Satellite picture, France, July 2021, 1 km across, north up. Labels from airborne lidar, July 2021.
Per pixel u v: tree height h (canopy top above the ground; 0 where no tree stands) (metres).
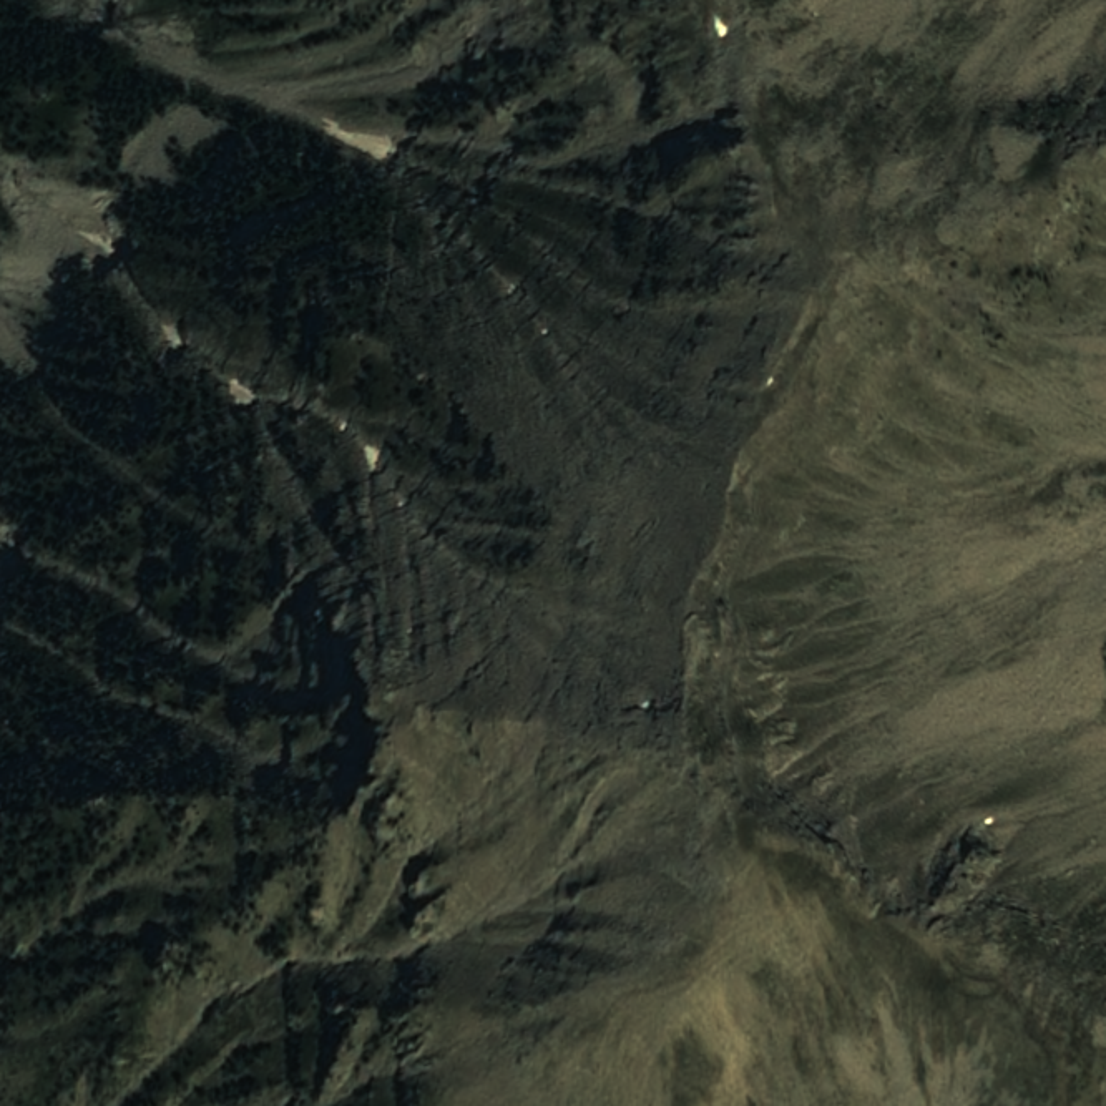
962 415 0
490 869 0
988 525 0
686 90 0
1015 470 0
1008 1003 0
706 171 0
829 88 0
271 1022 0
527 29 0
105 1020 6
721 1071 0
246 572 6
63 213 0
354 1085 0
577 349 0
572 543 0
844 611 0
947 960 0
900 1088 0
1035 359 0
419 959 0
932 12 0
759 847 0
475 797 0
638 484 0
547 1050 0
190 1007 0
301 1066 8
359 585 0
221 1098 8
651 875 0
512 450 0
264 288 0
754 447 0
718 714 0
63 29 11
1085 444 0
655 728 0
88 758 13
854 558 0
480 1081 0
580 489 0
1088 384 0
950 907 0
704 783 0
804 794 0
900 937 0
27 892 11
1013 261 0
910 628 0
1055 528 0
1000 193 0
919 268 0
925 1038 0
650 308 0
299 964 0
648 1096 0
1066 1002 0
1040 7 0
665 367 0
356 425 0
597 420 0
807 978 0
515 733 0
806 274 0
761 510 0
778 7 0
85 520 12
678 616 0
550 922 0
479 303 0
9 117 12
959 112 0
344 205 15
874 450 0
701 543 0
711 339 0
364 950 0
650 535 0
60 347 10
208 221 8
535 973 0
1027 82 0
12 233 0
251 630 0
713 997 0
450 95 11
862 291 0
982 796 0
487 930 0
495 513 0
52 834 6
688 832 0
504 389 0
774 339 0
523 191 0
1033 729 0
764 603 0
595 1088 0
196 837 8
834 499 0
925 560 0
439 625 0
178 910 9
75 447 9
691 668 0
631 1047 0
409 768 0
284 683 0
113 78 14
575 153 0
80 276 7
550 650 0
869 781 0
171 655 8
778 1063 0
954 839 0
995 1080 0
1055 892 0
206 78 0
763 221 0
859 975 0
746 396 0
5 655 9
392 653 0
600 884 0
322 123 0
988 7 0
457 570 0
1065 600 0
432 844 0
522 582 0
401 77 0
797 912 0
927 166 0
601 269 0
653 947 0
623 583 0
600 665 0
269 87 0
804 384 0
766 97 0
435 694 0
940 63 0
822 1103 0
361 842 0
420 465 0
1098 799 0
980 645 0
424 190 0
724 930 0
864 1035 0
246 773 0
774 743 0
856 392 0
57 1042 0
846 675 0
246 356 0
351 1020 6
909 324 0
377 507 0
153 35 0
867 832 0
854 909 0
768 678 0
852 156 0
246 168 12
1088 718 0
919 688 0
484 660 0
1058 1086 0
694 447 0
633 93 0
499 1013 0
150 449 7
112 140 7
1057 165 0
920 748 0
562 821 0
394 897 0
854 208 0
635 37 0
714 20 0
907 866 0
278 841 0
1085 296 0
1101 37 0
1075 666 0
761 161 0
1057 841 0
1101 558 0
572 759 0
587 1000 0
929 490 0
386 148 0
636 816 0
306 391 0
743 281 0
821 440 0
